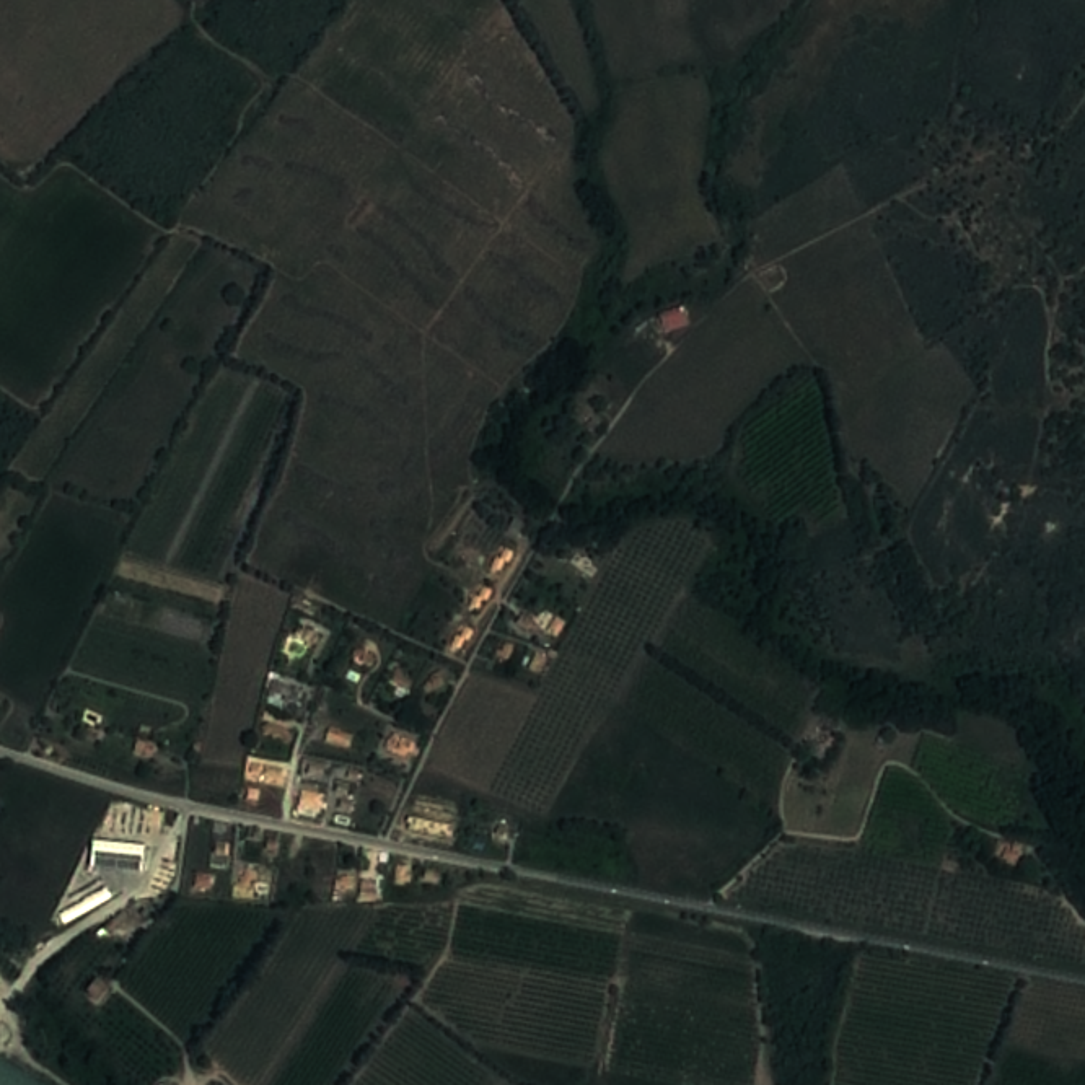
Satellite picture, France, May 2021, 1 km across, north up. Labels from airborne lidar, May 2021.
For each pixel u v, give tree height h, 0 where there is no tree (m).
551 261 0
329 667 13
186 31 8
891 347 0
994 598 7
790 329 0
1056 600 7
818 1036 7
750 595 6
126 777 0
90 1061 14
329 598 0
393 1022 14
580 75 0
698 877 0
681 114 0
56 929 0
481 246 0
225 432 0
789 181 0
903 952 7
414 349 0
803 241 0
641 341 0
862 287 0
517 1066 0
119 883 0
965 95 9
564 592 10
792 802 0
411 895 0
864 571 7
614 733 0
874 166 0
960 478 0
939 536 0
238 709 0
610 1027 0
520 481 16
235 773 0
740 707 23
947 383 0
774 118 0
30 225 0
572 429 14
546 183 0
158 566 0
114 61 0
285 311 0
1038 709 27
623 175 0
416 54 0
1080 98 0
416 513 0
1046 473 6
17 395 0
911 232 0
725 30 0
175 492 0
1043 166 6
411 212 0
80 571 0
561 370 26
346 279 0
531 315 0
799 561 10
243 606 0
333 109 0
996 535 0
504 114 0
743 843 0
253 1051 0
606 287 9
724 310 0
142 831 0
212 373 9
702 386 0
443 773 0
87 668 0
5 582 0
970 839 9
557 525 13
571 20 0
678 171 0
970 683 20
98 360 0
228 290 12
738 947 0
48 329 0
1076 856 16
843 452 24
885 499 16
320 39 10
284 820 0
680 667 23
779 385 11
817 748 0
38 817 0
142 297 0
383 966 27
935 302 0
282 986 0
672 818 0
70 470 0
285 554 0
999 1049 16
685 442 0
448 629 0
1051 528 0
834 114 0
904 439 0
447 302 0
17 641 0
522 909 0
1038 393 0
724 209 17
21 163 0
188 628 0
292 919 0
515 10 15
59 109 0
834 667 14
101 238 0
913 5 0
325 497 0
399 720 11
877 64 0
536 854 0
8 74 0
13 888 0
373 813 9
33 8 0
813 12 0
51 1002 7
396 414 0
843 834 0
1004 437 0
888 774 6
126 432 0
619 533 13
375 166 0
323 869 0
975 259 9
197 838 0
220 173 0
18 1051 0
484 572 0
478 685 0
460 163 0
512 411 19
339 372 0
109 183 8
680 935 0
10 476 10
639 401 0
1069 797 23
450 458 0
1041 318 0
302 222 0
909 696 15
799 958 6
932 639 9
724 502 21
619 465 10
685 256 0
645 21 0
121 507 9
